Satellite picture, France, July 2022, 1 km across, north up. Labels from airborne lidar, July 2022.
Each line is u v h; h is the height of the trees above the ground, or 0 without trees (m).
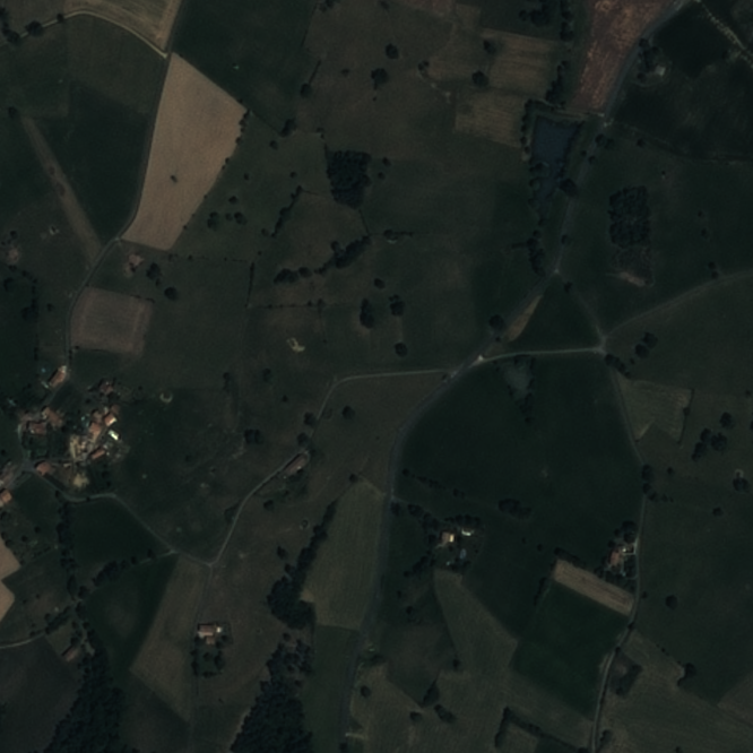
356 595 0
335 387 0
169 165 0
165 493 0
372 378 0
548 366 0
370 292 0
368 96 0
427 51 0
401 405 0
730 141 0
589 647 0
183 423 0
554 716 0
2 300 0
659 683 0
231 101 0
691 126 0
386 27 0
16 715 0
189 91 0
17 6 0
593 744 0
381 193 0
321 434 0
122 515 0
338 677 0
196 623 0
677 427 0
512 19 0
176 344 0
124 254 0
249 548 0
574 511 0
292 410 0
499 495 0
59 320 0
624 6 0
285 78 0
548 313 0
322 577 0
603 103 0
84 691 12
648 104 0
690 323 0
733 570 0
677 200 0
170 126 0
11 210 0
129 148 0
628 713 0
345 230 0
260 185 0
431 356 0
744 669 0
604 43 0
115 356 0
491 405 0
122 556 0
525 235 0
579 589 0
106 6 0
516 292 0
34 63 0
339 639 0
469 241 0
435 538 13
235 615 0
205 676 8
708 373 0
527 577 0
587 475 0
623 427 0
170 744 0
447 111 0
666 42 0
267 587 0
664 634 0
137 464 0
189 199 0
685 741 0
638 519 0
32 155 0
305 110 0
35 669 0
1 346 0
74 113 0
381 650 0
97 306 0
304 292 0
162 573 0
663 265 0
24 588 0
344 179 14
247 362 0
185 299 0
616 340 0
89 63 0
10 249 0
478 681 0
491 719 0
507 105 0
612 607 0
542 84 0
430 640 0
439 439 0
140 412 0
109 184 0
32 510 0
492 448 0
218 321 0
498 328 16
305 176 0
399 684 0
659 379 0
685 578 0
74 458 0
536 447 0
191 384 0
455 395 0
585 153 8
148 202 0
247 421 0
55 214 0
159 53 0
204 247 0
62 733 12
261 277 0
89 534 0
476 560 0
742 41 0
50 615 7
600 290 0
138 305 0
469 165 0
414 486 0
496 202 0
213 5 0
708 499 0
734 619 0
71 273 0
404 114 0
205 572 0
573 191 23
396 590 0
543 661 0
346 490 0
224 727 0
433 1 0
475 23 0
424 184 0
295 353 0
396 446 0
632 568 13
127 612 0
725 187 0
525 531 0
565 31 14
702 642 0
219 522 0
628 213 7
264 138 0
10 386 0
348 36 0
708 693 0
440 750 0
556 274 0
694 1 0
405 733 0
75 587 16
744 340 0
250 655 0
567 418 0
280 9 0
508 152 0
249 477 0
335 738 0
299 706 13
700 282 0
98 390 7
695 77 0
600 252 0
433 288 0
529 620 0
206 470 0
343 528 0
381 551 0
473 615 0
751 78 0
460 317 0
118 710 22
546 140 0
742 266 0
